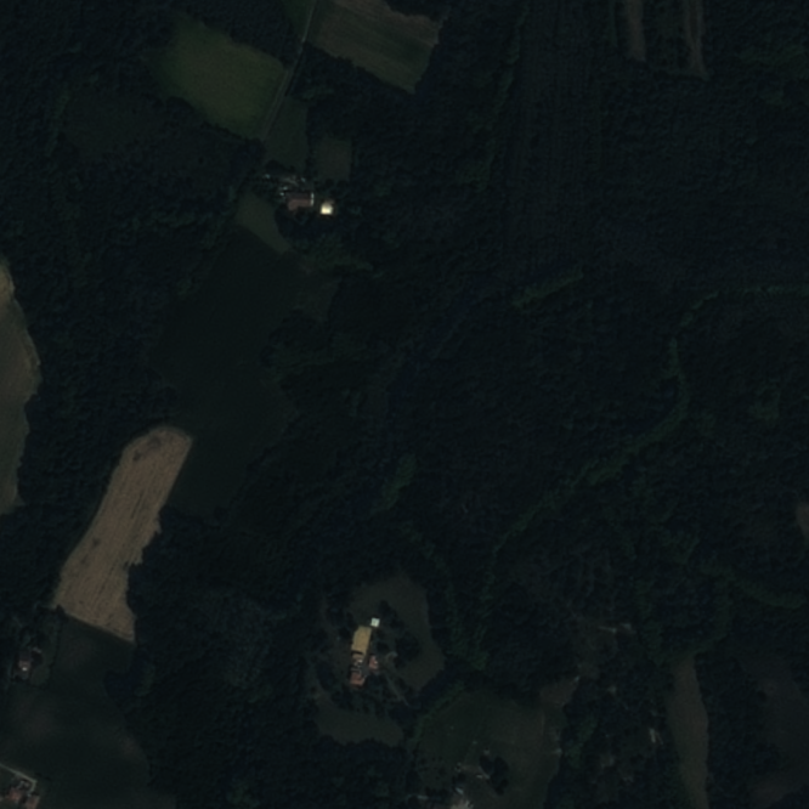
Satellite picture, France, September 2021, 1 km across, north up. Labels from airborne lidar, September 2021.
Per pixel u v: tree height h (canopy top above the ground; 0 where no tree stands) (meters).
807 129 14
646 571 27
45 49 16
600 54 15
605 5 8
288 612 22
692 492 15
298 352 14
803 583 29
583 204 12
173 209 27
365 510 28
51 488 16
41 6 14
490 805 0
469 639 24
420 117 24
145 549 0
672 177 11
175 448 0
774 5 14
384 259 24
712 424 22
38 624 11
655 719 20
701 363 12
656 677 21
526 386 21
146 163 8
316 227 11
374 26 0
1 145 17
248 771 24
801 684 13
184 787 9
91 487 20
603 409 13
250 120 0
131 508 0
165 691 12
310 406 7
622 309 22
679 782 27
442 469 18
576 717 25
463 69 30
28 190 19
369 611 0
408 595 0
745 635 27
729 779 19
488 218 17
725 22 15
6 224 20
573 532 18
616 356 26
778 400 16
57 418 22
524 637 23
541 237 10
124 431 24
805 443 13
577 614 9
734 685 20
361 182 18
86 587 0
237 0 20
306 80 15
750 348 14
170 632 22
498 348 19
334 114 25
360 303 11
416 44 0
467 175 28
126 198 19
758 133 13
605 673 7
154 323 24
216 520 13
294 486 14
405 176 24
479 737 0
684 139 9
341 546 25
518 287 20
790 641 20
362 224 15
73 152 18
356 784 24
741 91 12
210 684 5
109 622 0
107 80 24
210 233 30
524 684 26
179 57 0
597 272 14
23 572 23
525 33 29
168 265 23
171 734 6
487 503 16
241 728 6
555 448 11
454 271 13
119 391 18
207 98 0
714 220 11
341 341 15
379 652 7
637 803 21
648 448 30
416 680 0
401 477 30
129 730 7
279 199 10
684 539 32
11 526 18
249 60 0
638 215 7
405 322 11
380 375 10
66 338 25
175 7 15
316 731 17
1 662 27
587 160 17
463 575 21
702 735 0
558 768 0
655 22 11
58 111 19
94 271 22
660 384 8
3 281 0
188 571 23
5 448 0
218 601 6
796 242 8
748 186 11
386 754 21
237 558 7
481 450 13
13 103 19
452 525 17
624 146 22
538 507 21
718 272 19
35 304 17
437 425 12
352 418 8
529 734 0
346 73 23
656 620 23
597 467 32
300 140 0
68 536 17
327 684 26
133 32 14
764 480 7
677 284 11
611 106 21
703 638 35
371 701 11
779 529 7
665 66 9
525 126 26
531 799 0
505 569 14
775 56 30
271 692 21
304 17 0
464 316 25
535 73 28
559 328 19
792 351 10
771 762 22
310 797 11
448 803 12
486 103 28
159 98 8
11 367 0
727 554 25
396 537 26
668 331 12
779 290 15
